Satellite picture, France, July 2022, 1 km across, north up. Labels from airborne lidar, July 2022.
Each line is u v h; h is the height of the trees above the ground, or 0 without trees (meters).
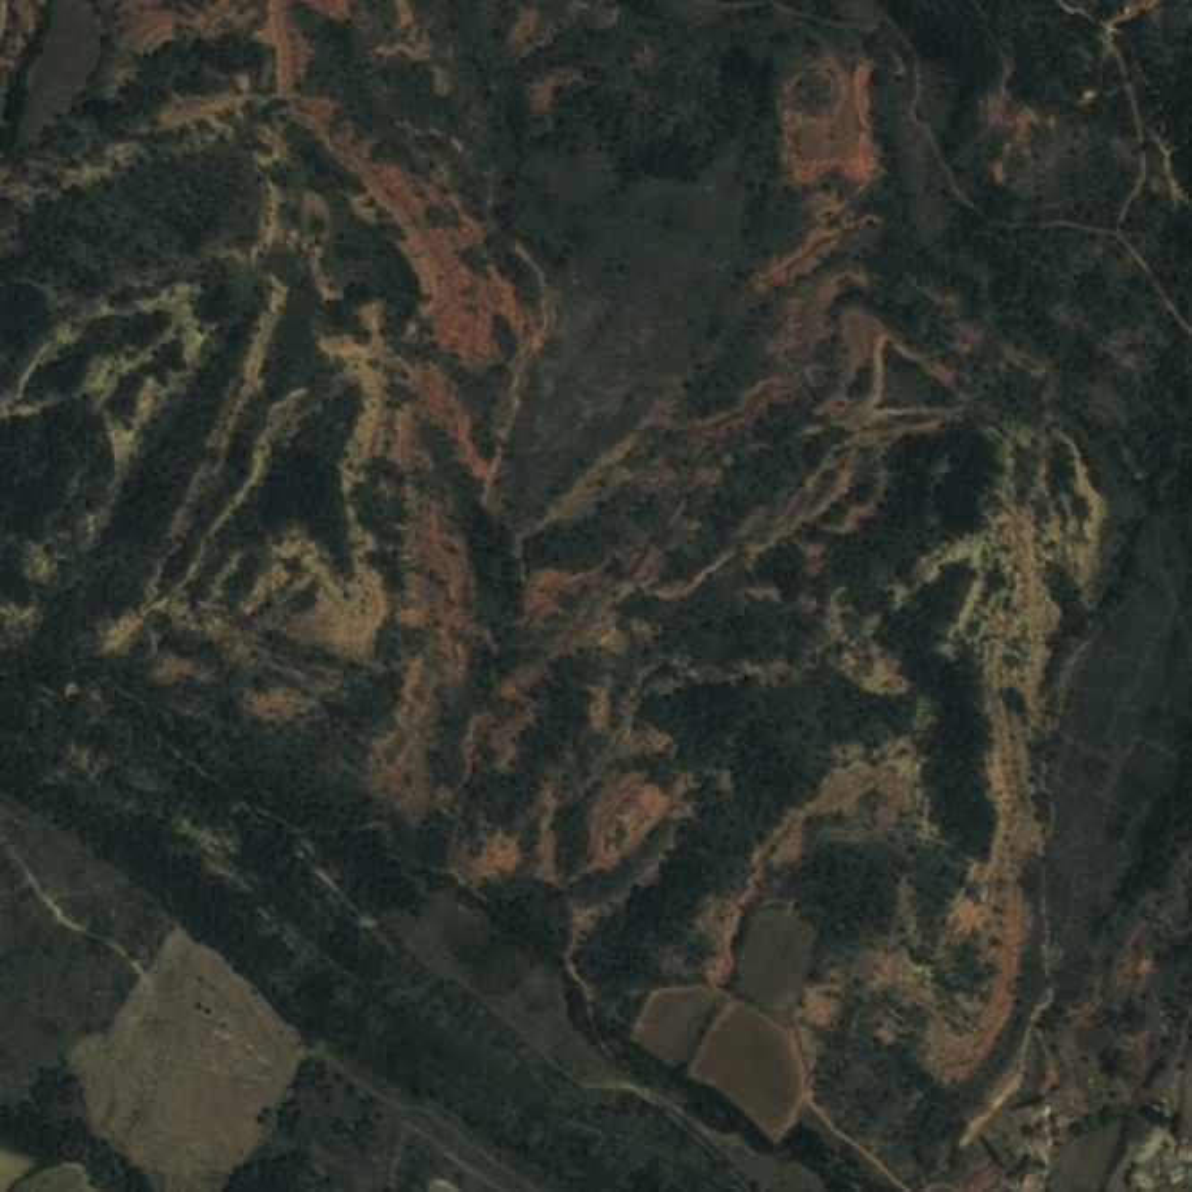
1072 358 8
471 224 0
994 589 5
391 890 12
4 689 14
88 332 7
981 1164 0
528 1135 8
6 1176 0
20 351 8
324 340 0
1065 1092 0
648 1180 10
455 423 0
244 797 9
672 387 0
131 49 0
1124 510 0
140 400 0
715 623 7
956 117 6
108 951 7
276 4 0
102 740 10
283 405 0
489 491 0
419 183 0
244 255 0
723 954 0
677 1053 0
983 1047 0
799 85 6
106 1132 0
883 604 7
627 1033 10
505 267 6
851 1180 8
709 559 6
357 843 17
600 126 11
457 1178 9
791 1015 0
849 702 6
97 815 8
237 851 6
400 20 0
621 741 0
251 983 8
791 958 0
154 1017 0
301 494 11
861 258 5
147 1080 0
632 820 0
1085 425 8
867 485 6
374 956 10
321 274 0
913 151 0
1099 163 8
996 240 10
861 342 0
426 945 0
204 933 9
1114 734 0
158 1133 0
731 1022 0
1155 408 6
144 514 9
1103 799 0
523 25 0
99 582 6
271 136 0
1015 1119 0
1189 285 8
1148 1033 0
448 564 0
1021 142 0
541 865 0
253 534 9
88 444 7
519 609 8
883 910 9
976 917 0
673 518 0
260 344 0
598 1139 7
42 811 7
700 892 7
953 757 9
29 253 7
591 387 0
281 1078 0
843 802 0
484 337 0
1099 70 5
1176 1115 6
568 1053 0
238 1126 0
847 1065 8
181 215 7
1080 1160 0
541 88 0
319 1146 0
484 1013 0
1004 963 0
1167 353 9
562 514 0
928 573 0
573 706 6
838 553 8
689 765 6
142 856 14
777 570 7
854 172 0
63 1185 0
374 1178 0
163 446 7
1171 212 8
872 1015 0
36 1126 10
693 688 6
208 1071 0
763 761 10
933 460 10
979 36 8
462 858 0
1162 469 7
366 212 0
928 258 7
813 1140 8
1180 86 11
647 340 0
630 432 0
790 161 0
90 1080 0
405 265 8
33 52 10
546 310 0
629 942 12
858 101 0
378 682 6
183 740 11
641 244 0
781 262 0
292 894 11
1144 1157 0
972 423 6
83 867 0
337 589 0
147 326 7
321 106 0
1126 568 8
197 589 7
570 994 7
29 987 0
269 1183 13
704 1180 8
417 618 0
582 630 0
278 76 0
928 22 9
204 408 7
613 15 0
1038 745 7
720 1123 6
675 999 0
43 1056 0
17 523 9
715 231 0
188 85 7
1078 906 0
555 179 0
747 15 7
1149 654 0
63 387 8
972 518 8
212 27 0
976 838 6
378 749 0
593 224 0
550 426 0
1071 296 6
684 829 9
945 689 11
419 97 7
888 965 0
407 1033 0
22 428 8
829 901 6
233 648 0
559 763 8
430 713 0
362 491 6
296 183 0
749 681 8
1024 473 7
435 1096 16
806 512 0
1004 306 8
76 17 0
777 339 0
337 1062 0
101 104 9
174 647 8
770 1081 0
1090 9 7
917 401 0
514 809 6
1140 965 0
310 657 6
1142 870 6
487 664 14
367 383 0
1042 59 9
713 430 0
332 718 8
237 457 9
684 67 6
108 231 10
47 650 7
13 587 10
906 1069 7
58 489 12
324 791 10
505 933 8
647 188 0
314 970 8
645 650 9
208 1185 0
